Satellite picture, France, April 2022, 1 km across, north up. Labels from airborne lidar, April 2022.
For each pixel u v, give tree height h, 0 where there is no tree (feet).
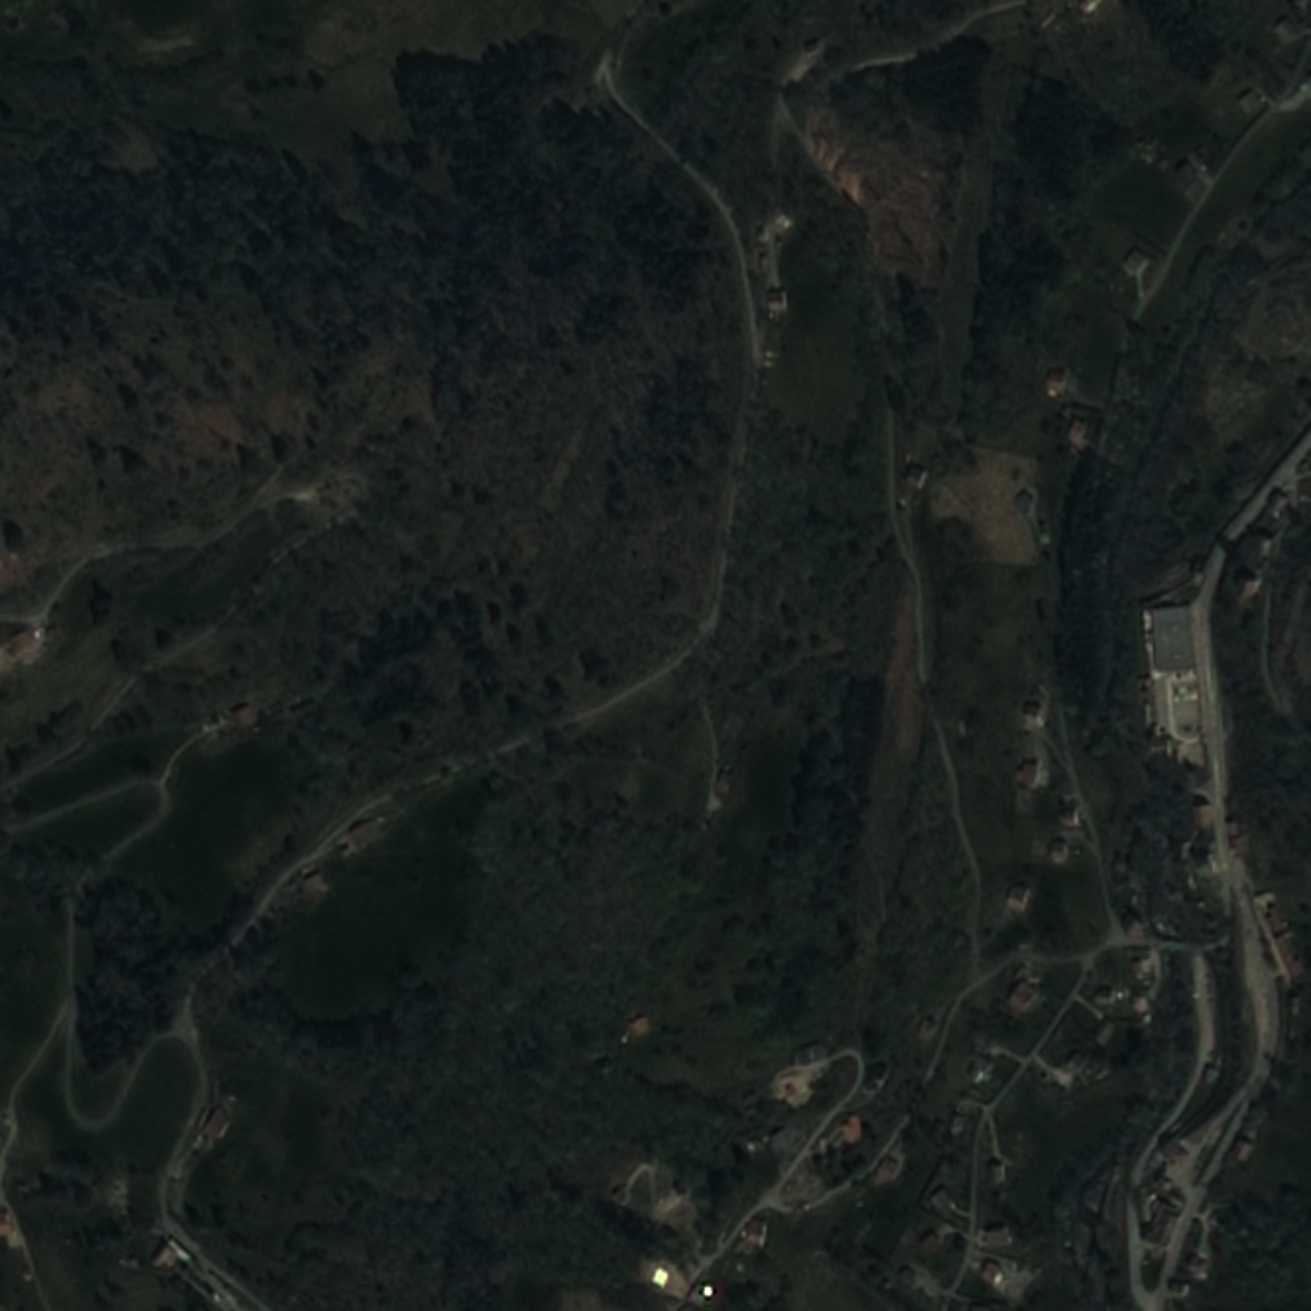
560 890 79
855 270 75
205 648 0
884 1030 55
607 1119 69
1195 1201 0
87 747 25
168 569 64
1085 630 67
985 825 0
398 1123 94
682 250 64
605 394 38
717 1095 0
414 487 52
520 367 25
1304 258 0
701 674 53
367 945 0
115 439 0
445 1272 23
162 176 22
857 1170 33
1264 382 27
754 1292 42
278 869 52
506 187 91
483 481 46
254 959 86
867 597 30
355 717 72
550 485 23
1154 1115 39
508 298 40
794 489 43
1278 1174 0
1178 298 0
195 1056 0
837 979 54
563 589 24
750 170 29
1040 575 0
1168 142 0
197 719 48
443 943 0
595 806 39
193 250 77
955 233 101
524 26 0
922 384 51
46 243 90
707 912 43
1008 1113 0
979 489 0
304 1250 23
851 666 28
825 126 0
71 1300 0
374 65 0
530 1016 67
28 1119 0
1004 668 0
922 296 87
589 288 53
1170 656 0
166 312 0
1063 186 75
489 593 41
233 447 32
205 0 0
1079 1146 0
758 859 0
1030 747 0
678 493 27
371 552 65
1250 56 28
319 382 41
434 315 23
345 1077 56
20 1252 0
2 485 0
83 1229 0
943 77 77
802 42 21
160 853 0
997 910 0
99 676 0
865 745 73
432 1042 106
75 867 74
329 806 91
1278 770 28
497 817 68
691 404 75
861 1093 0
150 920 75
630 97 0
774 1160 0
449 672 25
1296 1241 40
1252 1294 27
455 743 27
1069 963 0
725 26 28
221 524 26
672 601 36
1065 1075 0
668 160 39
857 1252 42
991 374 99
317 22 0
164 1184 0
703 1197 58
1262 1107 69
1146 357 23
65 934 0
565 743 65
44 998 0
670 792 0
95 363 21
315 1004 0
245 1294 0
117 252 75
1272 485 0
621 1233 71
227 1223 69
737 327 20
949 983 53
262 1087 0
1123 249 0
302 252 72
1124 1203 0
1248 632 32
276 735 77
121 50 0
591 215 65
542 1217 64
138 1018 92
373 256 60
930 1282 0
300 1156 0
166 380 62
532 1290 0
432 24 0
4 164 25
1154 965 0
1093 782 0
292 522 21
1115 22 0
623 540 22
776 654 51
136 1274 0
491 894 91
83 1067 0
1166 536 68
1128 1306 38
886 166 0
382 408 0
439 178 0
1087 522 74
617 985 51
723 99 37
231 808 0
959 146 85
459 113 76
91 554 0
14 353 47
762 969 41
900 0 59
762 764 0
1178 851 58
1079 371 0
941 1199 0
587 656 20
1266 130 0
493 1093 69
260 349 0
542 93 82
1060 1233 42
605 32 0
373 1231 47
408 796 26
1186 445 45
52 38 0
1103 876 0
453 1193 55
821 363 0
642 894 63
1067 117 83
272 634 64
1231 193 0
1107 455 72
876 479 31
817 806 85
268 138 0
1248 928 0
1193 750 0
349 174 0
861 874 27
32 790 0
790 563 58
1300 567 18
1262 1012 0
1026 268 128
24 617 0
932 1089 30
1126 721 64
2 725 0
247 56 0
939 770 39
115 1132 0
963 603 78
